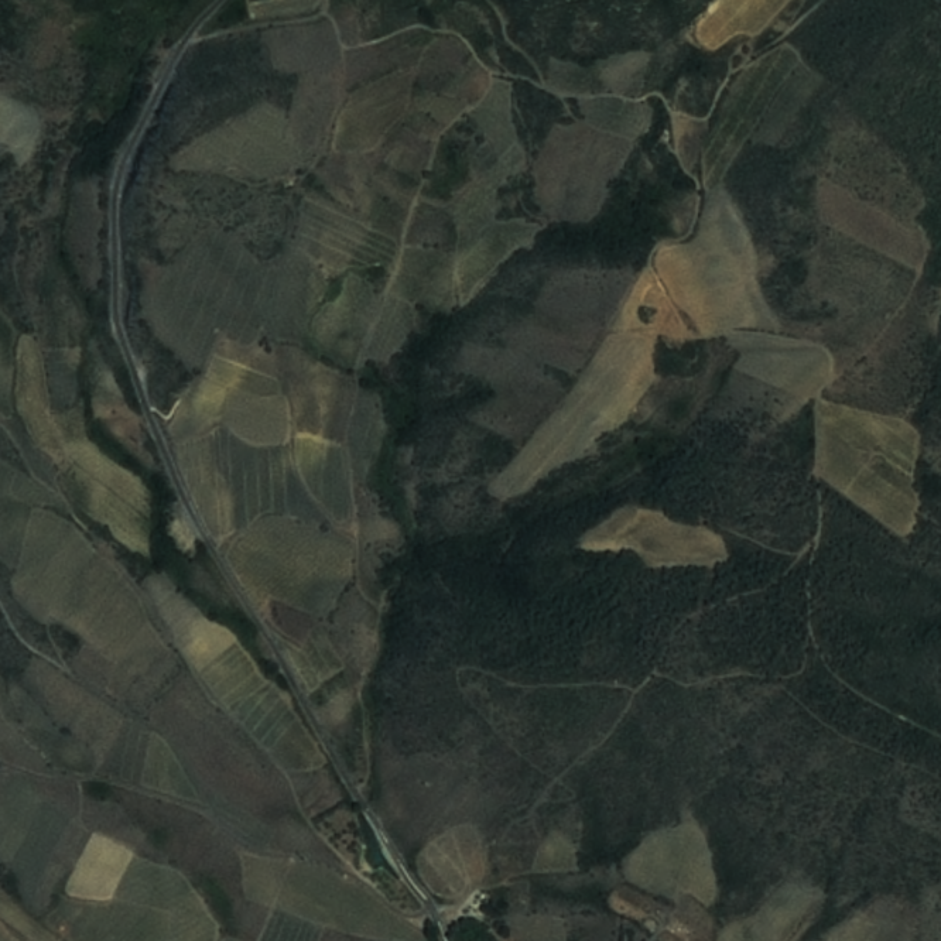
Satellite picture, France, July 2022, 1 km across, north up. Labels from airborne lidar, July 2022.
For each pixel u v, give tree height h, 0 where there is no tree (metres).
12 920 0
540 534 6
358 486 0
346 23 0
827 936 0
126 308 0
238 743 0
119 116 11
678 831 0
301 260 0
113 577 0
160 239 0
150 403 0
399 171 0
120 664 0
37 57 0
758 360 0
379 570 7
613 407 0
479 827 0
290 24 0
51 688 0
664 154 6
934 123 8
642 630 7
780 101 0
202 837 0
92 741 0
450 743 0
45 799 0
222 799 0
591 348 0
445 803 0
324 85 0
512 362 0
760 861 0
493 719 0
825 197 0
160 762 0
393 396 7
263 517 0
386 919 0
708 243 0
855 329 0
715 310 0
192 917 0
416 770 0
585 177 0
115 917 0
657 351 0
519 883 0
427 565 8
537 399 0
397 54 0
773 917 0
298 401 0
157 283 0
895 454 0
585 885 0
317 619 0
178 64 0
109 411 0
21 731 0
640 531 0
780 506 7
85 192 0
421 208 0
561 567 6
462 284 0
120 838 0
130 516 0
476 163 0
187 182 0
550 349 0
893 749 7
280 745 0
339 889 0
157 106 0
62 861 0
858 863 0
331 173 0
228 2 0
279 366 0
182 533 0
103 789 0
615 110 0
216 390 0
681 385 0
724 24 0
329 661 0
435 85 0
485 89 0
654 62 0
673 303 0
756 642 6
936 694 7
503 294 0
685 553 0
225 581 0
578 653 9
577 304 0
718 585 8
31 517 0
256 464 0
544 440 0
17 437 0
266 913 0
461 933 16
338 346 0
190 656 0
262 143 0
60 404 0
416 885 0
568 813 0
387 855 0
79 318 0
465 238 0
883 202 0
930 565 7
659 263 0
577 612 8
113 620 0
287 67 0
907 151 7
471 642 6
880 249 0
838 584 9
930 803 7
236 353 0
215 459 0
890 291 0
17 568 0
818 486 8
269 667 8
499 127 0
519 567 7
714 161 0
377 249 0
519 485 0
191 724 0
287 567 0
